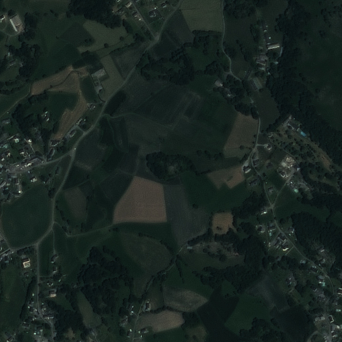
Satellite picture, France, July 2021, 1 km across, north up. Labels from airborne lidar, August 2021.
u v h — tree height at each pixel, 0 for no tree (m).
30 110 0
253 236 16
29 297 14
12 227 0
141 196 0
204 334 0
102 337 0
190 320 14
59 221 0
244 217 18
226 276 22
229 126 0
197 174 11
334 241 16
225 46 13
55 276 15
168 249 11
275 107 0
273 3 0
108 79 0
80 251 0
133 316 8
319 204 24
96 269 21
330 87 0
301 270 12
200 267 0
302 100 17
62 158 0
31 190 0
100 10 21
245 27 0
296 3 18
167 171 15
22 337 6
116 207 0
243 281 14
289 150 11
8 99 0
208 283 24
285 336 19
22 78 6
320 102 0
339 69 0
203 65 0
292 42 18
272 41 0
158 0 0
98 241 0
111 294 19
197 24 0
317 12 0
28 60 21
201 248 0
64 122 0
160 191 0
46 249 0
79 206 0
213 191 0
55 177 0
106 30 0
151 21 0
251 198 14
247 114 19
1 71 21
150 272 0
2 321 0
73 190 0
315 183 15
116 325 0
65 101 0
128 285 16
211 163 0
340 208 17
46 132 19
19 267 7
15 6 0
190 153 0
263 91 13
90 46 0
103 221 0
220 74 13
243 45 11
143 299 10
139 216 0
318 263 11
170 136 0
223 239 17
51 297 0
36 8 0
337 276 16
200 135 0
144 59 9
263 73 9
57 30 0
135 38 13
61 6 0
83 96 0
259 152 0
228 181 0
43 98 13
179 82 17
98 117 0
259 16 0
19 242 0
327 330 0
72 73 0
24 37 17
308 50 0
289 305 12
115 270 25
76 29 0
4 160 0
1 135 6
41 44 0
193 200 0
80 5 21
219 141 0
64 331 14
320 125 19
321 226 24
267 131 12
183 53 19
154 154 8
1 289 6
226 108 0
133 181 0
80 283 11
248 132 0
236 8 15
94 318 0
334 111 0
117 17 17
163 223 0
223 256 16
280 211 0
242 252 16
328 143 18
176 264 10
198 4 0
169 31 6
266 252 11
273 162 0
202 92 0
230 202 0
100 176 0
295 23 24
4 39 0
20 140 8
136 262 0
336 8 11
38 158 0
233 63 0
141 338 0
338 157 15
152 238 7
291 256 0
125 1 0
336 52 0
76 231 0
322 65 0
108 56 0
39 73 0
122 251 0
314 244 7
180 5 0
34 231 0
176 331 0
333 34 0
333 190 25
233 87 10
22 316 16
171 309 12
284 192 0
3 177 0
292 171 0
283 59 17
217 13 0
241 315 0
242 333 14
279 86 17
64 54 0
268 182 0
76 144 0
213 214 8
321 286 9
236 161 0
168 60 8
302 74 11
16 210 0
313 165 8
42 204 0
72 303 11
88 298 18
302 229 11
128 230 0
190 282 0
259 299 0
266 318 0
